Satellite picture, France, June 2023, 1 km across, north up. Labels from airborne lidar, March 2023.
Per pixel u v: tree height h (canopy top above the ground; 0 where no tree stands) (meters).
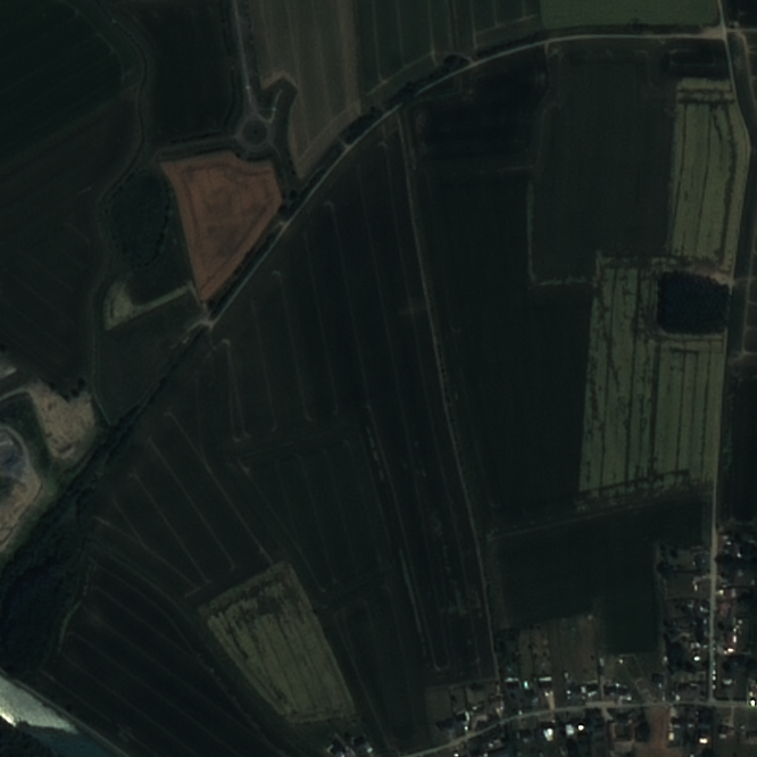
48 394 0
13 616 33
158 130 0
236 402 0
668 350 0
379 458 0
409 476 0
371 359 0
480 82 0
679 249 0
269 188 0
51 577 25
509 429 0
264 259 0
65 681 0
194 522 0
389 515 0
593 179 0
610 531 0
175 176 0
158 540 0
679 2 0
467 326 0
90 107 0
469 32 0
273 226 0
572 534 0
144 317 0
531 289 0
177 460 0
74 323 0
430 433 0
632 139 0
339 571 0
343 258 0
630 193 0
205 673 0
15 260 0
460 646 0
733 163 0
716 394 0
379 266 0
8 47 0
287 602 0
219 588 0
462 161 0
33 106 0
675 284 29
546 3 0
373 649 0
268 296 0
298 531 0
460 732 0
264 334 0
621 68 0
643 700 0
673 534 0
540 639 0
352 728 0
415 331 0
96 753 0
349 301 0
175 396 0
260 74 0
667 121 0
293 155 0
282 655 0
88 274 0
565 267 0
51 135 0
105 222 0
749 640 0
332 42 0
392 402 0
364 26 0
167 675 0
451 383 0
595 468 0
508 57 0
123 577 0
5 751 7
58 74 0
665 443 0
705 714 11
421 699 0
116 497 0
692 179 0
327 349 0
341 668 0
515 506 0
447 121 0
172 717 0
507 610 0
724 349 0
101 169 0
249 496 0
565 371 0
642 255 0
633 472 0
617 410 0
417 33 0
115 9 0
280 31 0
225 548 0
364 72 0
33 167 0
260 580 0
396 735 0
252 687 0
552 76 0
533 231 0
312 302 0
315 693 0
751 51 0
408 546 0
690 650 0
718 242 0
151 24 0
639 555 0
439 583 0
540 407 0
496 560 0
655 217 0
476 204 0
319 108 0
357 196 0
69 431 0
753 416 0
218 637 0
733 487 0
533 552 0
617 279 0
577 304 0
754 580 0
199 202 0
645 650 0
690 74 0
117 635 0
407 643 0
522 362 0
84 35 0
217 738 0
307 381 0
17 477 0
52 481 0
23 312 0
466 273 0
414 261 0
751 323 0
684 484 0
